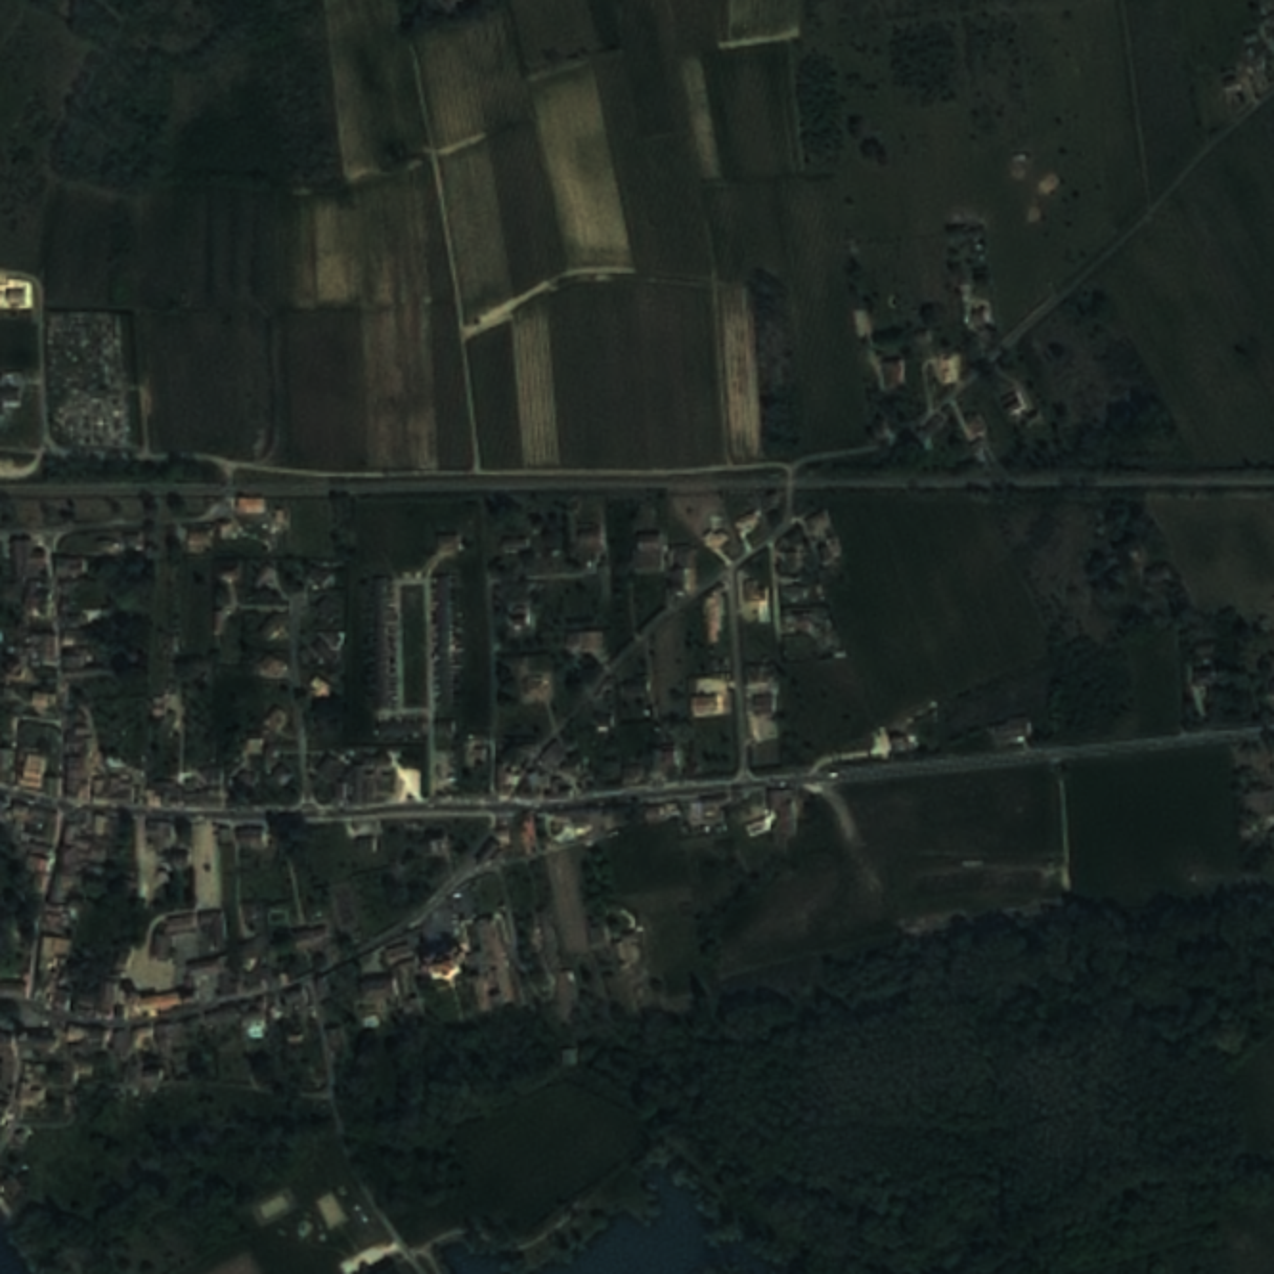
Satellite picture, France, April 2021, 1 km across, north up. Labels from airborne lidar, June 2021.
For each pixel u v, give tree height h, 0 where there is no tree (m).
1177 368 0
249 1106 0
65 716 7
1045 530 0
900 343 12
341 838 0
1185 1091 29
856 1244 17
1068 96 0
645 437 0
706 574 0
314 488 0
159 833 0
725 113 0
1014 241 0
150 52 9
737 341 0
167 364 0
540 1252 0
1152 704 0
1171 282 0
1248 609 0
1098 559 11
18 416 0
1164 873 0
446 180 0
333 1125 9
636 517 6
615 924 10
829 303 0
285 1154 14
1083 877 0
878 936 0
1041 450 8
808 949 0
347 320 0
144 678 7
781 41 0
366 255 0
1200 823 0
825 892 0
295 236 0
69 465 11
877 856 0
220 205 0
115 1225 17
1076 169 0
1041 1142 19
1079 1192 27
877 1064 33
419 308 0
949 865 0
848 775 0
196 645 0
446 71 0
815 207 0
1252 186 0
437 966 0
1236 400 0
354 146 0
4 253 0
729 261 0
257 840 0
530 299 0
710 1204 15
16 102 0
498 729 0
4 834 9
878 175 0
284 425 0
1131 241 0
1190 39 0
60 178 17
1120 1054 30
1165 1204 14
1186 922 27
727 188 0
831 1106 23
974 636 0
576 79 0
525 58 0
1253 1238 0
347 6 0
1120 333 0
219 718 0
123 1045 0
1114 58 0
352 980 17
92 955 6
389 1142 7
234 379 0
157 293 0
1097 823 0
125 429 0
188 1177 17
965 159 0
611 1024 21
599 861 8
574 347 0
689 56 0
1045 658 0
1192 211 0
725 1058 15
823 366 0
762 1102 15
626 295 0
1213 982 13
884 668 0
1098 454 17
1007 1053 24
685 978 0
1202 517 0
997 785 0
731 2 0
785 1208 31
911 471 14
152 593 19
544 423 0
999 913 0
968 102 0
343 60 0
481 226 0
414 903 8
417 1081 22
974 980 27
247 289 0
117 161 11
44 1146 0
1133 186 0
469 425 0
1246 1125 9
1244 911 22
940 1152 15
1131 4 0
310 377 0
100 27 18
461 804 0
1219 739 0
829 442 0
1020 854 0
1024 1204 18
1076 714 7
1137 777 0
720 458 0
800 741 10
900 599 0
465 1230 0
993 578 0
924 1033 34
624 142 0
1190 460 0
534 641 9
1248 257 0
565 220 0
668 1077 21
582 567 8
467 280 0
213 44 15
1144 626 20
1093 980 17
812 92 5
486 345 0
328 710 13
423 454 0
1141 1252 8
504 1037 14
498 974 0
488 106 0
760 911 0
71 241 0
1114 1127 24
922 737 0
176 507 15
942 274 0
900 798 0
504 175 0
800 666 0
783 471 0
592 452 0
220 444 0
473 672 0
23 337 0
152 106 7
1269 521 0
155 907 8
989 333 9
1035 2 0
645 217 0
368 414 0
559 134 0
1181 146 0
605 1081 17
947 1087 29
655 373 0
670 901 0
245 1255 0
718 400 0
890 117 0
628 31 0
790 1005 14
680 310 0
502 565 6
